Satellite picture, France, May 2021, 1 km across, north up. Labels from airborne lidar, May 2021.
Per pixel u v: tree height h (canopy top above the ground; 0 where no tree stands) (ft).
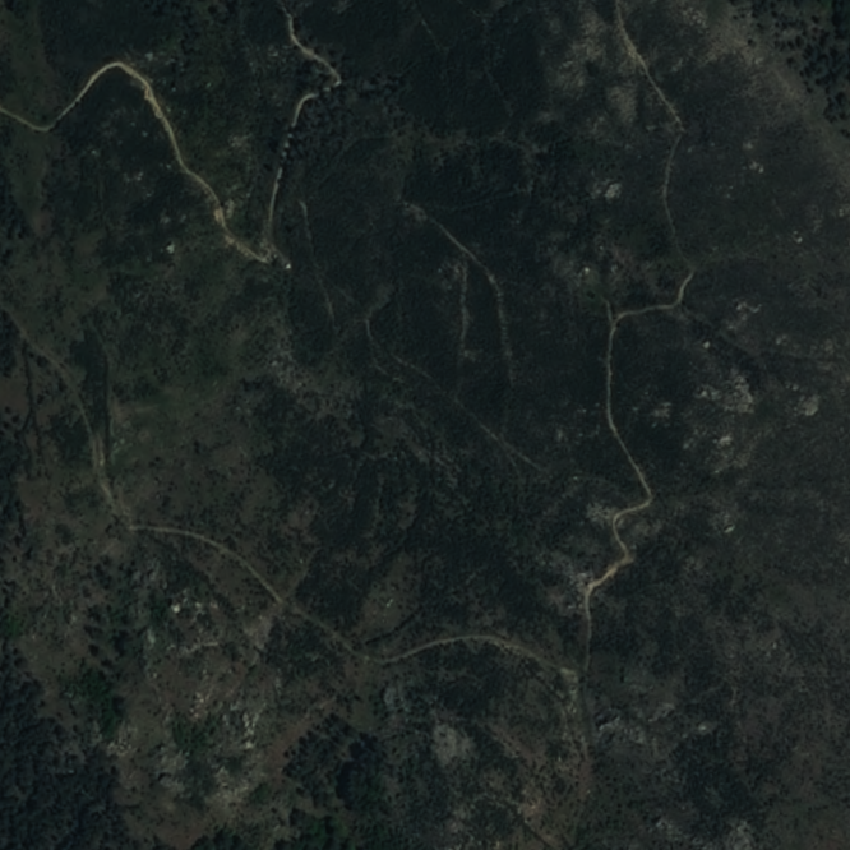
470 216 20
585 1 0
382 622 0
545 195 28
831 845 0
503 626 21
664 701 0
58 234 23
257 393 85
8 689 50
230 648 19
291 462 22
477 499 20
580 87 0
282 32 21
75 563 19
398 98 79
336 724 91
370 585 23
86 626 0
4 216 57
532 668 27
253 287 19
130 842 30
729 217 0
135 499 0
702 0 0
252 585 19
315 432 24
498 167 26
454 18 23
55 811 38
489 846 23
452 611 27
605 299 0
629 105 0
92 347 23
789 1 62
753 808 23
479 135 27
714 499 0
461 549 29
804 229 0
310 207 21
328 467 24
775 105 0
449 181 31
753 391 20
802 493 0
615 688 0
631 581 17
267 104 26
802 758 0
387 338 19
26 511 104
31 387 24
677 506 0
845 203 0
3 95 20
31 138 0
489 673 20
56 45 21
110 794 57
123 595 25
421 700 22
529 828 24
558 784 22
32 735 60
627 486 20
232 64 31
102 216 21
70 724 0
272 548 28
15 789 75
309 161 73
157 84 18
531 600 19
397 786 0
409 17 22
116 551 0
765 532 0
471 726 23
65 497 20
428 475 20
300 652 24
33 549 86
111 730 31
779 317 0
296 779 108
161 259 25
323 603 24
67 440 23
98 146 18
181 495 0
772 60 0
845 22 92
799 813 0
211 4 100
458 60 19
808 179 0
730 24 0
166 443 0
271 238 0
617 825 21
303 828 84
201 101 25
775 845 21
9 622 41
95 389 23
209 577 26
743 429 0
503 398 19
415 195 21
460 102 20
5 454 83
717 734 24
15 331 68
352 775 98
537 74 22
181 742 23
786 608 0
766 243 0
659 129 18
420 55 23
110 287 25
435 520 23
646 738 0
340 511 27
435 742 27
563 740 20
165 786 0
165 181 24
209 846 72
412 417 21
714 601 20
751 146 0
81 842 56
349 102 62
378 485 24
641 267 26
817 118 0
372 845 22
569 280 0
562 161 22
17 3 91
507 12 19
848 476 0
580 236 24
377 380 20
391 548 21
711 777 24
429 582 22
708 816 25
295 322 24
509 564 23
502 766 24
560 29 0
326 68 61
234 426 0
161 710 24
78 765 33
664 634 19
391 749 78
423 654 28
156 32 23
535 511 21
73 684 20
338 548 24
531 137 24
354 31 26
